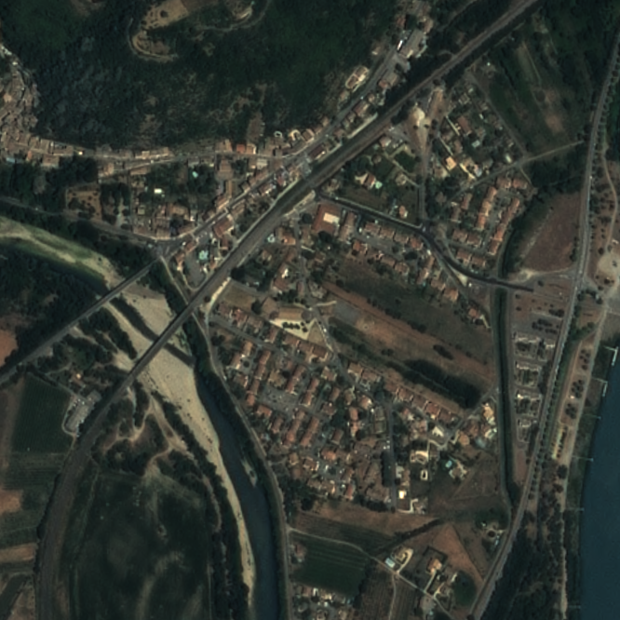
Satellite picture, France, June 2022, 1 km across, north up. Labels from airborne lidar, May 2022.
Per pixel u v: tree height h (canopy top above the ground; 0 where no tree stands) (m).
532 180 7
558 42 0
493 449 0
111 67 8
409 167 7
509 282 0
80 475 0
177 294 14
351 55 8
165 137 20
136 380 8
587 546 0
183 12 0
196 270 0
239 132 7
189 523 0
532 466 0
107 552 0
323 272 7
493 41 11
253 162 0
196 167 10
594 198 12
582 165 7
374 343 0
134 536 0
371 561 6
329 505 0
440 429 0
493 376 0
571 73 11
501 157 13
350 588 0
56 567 0
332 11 9
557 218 0
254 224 0
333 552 0
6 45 10
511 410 0
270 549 0
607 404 0
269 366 0
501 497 0
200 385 0
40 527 14
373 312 0
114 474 0
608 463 0
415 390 0
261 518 0
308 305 8
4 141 0
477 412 0
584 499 0
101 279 0
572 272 0
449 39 17
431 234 0
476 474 0
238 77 7
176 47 7
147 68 8
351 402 7
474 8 12
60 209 22
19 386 0
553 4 16
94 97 14
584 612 0
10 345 0
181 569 0
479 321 13
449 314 0
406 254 8
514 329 0
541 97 0
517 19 8
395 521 0
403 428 7
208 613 0
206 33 10
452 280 0
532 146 10
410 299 0
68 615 0
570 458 0
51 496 8
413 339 0
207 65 8
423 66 18
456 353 0
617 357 0
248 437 8
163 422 0
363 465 0
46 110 7
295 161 0
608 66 18
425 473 0
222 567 15
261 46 5
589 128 14
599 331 0
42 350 0
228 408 14
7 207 14
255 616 0
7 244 0
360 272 0
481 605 0
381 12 11
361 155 11
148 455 14
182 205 12
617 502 0
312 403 0
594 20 7
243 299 0
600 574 0
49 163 0
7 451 0
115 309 0
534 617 13
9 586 0
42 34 9
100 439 10
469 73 0
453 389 16
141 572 0
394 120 11
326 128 0
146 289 0
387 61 0
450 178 13
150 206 0
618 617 0
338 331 8
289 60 8
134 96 13
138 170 0
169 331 0
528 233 0
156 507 0
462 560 0
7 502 0
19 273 14
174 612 0
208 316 0
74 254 0
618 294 0
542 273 0
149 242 6
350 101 11
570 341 9
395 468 0
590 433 0
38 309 14
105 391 11
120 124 8
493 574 0
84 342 9
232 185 0
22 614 0
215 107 7
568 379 0
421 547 0
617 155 21
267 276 11
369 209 0
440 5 7
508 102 0
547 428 9
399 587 0
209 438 0
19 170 20
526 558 20
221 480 8
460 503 0
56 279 12
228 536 23
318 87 8
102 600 0
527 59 0
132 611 0
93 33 13
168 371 0
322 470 0
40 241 0
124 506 0
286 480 7
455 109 8
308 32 7
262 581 0
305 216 10
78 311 14
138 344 0
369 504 14
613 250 0
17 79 0
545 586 5
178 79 6
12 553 0
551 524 10
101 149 0
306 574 0
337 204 0
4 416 0
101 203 7
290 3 13
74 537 0
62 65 9
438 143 14
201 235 0
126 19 14
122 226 7
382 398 8
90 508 0
